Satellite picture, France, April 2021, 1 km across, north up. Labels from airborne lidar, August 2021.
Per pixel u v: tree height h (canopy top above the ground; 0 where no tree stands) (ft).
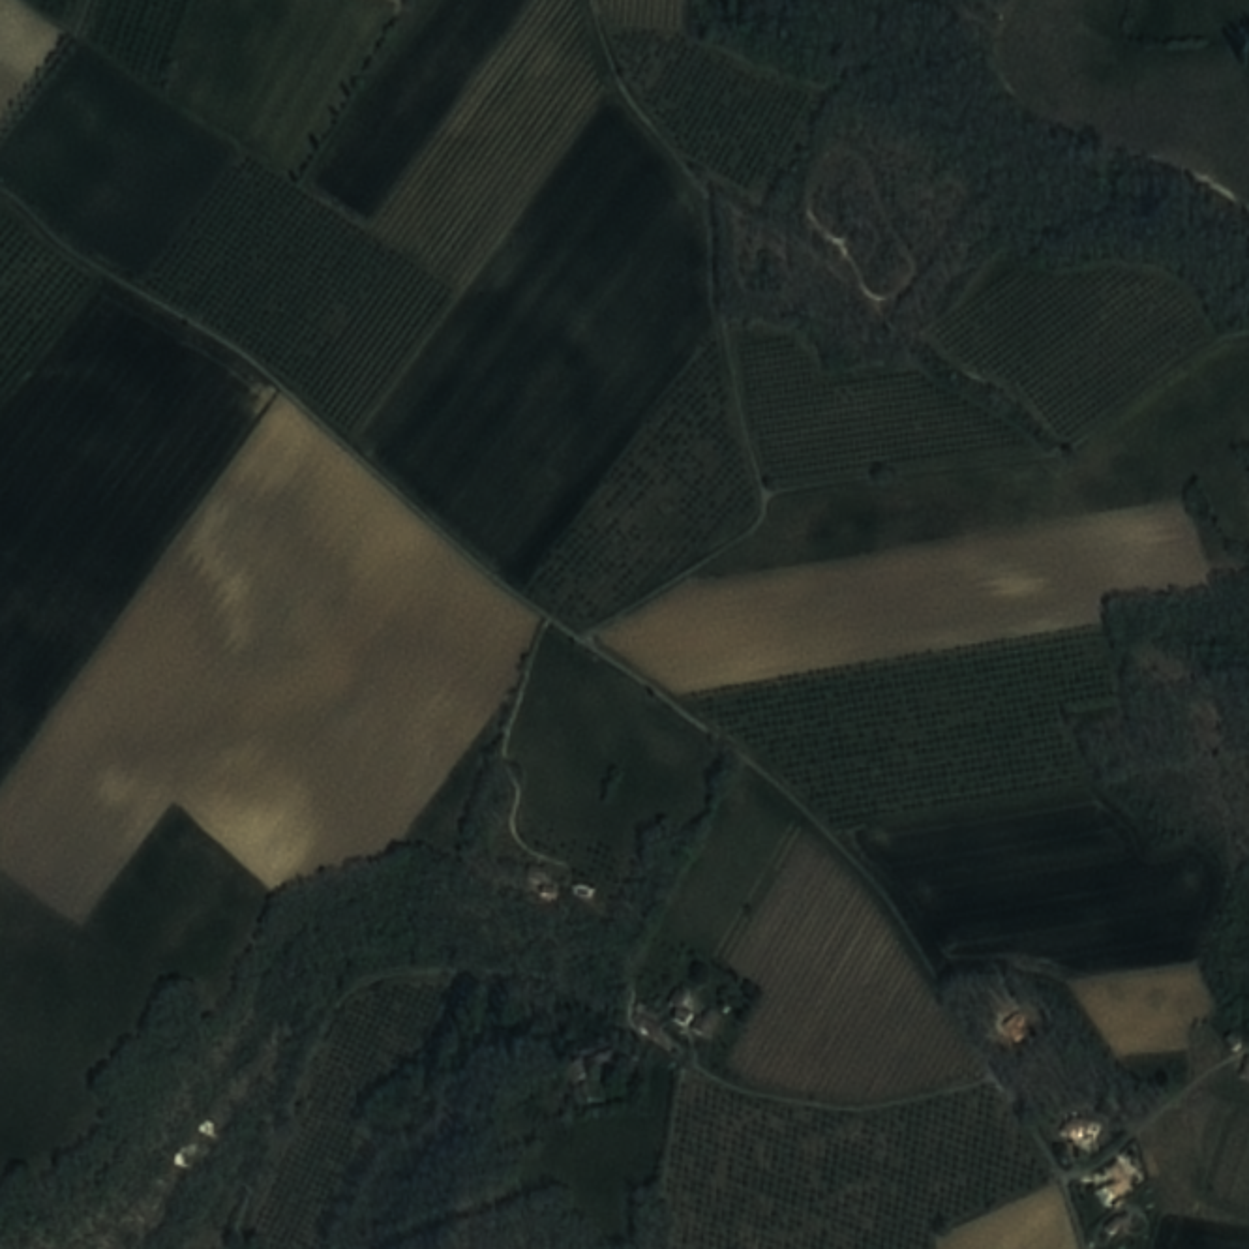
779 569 0
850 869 0
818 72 53
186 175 0
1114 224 62
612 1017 31
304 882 41
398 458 0
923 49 47
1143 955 0
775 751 17
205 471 0
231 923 0
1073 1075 69
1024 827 0
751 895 0
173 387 0
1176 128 0
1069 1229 0
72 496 0
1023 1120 58
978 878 0
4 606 0
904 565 0
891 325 25
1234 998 34
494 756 43
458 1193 33
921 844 0
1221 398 0
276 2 0
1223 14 0
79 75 0
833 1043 0
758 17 60
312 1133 19
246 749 0
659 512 0
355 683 0
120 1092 47
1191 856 0
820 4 87
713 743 40
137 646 0
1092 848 0
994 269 0
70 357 0
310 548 0
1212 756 19
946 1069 0
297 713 0
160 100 0
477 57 0
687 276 0
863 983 0
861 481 0
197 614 0
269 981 53
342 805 0
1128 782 42
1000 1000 65
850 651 0
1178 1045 0
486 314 0
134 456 0
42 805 0
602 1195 0
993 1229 0
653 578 0
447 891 40
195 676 0
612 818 0
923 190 23
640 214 0
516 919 47
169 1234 58
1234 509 0
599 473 0
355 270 18
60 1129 0
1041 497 0
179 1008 56
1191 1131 0
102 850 0
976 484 0
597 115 0
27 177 0
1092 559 0
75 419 0
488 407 0
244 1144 38
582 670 0
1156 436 0
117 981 0
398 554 0
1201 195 48
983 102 59
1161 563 0
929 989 0
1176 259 62
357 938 75
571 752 0
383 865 40
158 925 0
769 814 0
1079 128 0
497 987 23
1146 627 33
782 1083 0
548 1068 46
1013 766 17
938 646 0
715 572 0
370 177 0
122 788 0
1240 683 75
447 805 0
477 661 0
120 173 0
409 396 0
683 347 0
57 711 0
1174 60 0
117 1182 22
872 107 65
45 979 0
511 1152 41
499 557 0
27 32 0
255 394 0
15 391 0
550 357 0
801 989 0
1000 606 0
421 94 0
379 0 0
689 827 24
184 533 0
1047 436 26
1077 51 0
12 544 0
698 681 0
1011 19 0
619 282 0
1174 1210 0
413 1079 57
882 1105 0
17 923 0
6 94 0
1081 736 47
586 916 36
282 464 0
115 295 0
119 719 0
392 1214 32
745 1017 30
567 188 0
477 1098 61
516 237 0
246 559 0
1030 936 0
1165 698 40
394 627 0
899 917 0
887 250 24
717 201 33
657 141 0
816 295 38
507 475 0
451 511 0
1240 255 59
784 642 0
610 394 0
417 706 0
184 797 0
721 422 18
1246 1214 0
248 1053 32
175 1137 23
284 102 0
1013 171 62
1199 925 0
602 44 0
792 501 0
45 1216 24
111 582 0
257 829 0
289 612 0
